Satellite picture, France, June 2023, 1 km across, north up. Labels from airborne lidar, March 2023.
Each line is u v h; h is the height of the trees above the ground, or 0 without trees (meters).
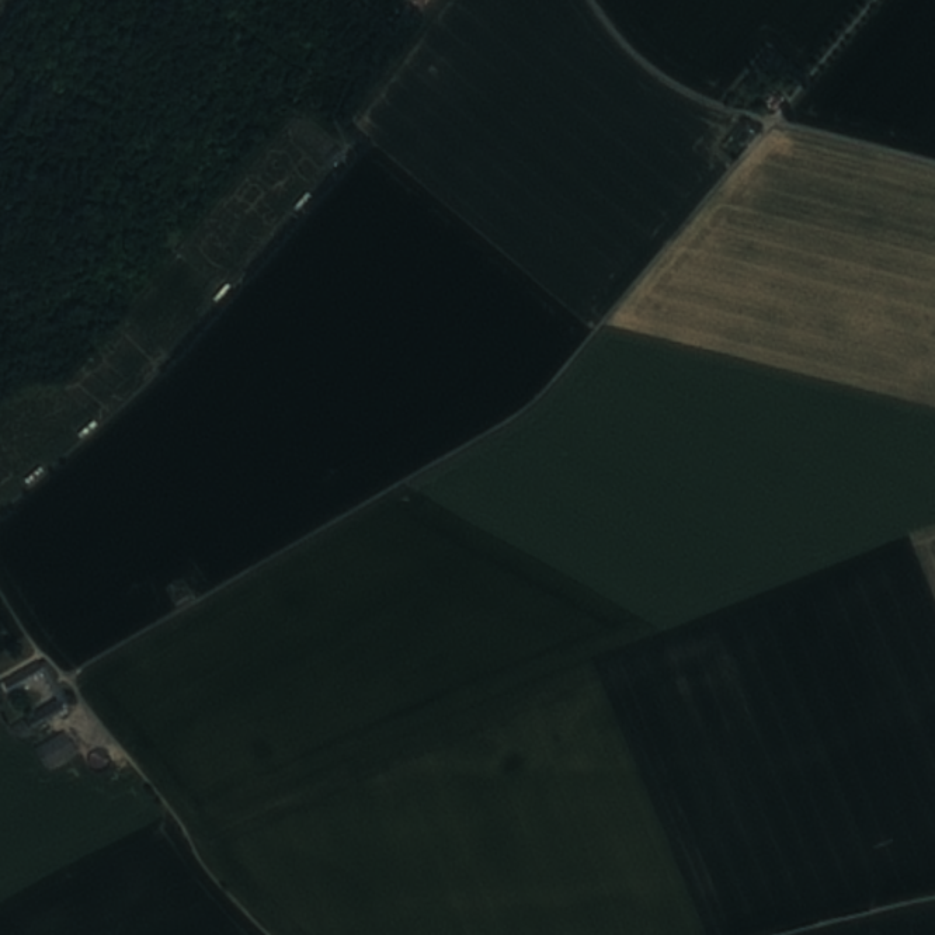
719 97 0
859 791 0
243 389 0
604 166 0
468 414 0
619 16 0
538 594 0
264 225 0
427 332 0
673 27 0
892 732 0
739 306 0
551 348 0
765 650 0
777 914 0
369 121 0
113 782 0
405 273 0
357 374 0
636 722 0
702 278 0
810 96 0
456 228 0
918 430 0
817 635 0
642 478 0
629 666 0
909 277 0
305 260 0
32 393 0
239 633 0
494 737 0
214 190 16
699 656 0
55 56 15
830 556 0
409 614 0
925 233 0
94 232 18
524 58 0
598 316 0
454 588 0
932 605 0
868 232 0
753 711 0
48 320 17
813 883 0
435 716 0
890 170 0
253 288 0
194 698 0
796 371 0
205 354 0
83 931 0
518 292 0
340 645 0
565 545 0
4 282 16
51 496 0
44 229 16
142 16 15
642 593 0
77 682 0
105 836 0
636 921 0
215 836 0
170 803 0
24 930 0
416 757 0
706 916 0
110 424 0
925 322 0
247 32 8
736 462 0
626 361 0
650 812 0
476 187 0
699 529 0
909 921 0
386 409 0
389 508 0
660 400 0
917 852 0
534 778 0
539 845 0
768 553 0
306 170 0
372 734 0
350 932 0
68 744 0
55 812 0
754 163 0
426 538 0
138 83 16
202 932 0
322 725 0
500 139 0
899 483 0
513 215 0
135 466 0
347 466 0
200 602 0
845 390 0
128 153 14
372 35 11
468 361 0
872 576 0
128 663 0
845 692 0
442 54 0
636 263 0
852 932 0
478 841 0
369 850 0
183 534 0
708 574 0
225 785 0
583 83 0
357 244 0
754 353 0
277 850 0
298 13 11
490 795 0
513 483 0
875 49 0
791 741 0
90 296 17
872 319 0
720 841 0
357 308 0
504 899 0
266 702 0
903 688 0
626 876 0
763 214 0
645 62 0
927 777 0
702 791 0
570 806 0
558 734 0
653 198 0
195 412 0
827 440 0
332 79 6
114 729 0
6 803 0
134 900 0
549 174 0
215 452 0
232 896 0
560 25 0
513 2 0
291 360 0
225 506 0
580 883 0
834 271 0
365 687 0
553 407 0
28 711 16
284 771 0
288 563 0
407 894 0
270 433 0
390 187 0
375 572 0
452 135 0
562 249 0
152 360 0
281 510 0
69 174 15
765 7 0
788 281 0
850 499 0
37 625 0
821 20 0
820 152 0
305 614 0
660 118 0
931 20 0
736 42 0
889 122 0
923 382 0
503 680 0
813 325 0
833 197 0
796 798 0
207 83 18
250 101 9
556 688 0
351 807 0
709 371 0
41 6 20
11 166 16
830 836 0
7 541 0
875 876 0
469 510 0
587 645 0
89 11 17
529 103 0
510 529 0
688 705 0
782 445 0
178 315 0
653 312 0
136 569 0
